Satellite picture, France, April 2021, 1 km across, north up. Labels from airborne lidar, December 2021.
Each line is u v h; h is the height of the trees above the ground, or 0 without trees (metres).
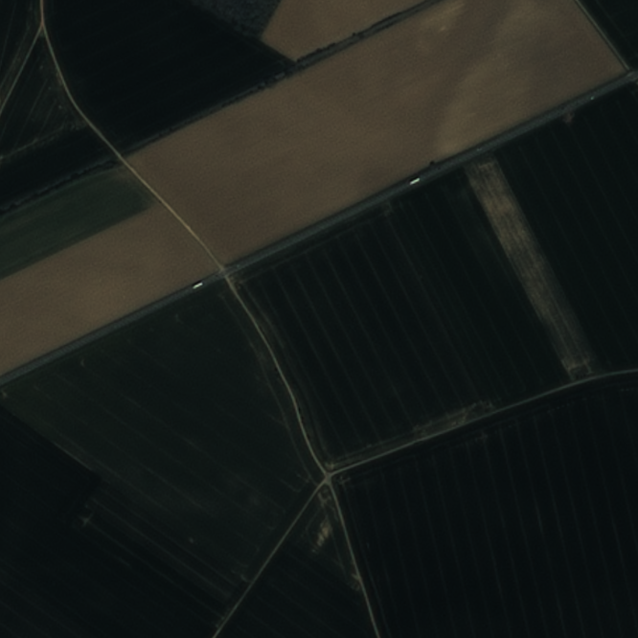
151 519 0
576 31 0
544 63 0
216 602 0
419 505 0
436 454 0
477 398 0
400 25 0
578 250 0
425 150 0
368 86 0
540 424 0
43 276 0
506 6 0
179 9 0
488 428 0
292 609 0
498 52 0
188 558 0
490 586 0
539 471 0
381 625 0
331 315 0
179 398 0
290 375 0
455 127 0
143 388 0
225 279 0
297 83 0
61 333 0
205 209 0
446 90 0
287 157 0
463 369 0
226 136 0
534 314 0
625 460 0
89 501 0
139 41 0
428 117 0
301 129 0
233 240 0
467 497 0
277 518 0
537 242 0
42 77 0
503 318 0
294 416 0
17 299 0
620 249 0
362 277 0
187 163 0
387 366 0
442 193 0
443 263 0
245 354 0
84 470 0
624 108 0
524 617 0
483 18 0
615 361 0
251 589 0
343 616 0
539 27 0
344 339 0
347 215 0
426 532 0
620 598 0
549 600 0
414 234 0
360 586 0
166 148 0
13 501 0
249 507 0
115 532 0
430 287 0
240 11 16
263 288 0
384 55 0
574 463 0
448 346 0
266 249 0
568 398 0
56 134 0
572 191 0
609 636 0
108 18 0
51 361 0
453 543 0
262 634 0
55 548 0
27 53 0
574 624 0
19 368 0
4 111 0
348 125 0
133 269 0
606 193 0
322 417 0
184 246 0
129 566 0
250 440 0
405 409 0
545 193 0
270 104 0
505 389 0
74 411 0
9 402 0
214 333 0
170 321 0
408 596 0
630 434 0
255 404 0
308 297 0
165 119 0
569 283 0
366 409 0
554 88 0
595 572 0
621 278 0
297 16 0
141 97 0
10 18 0
